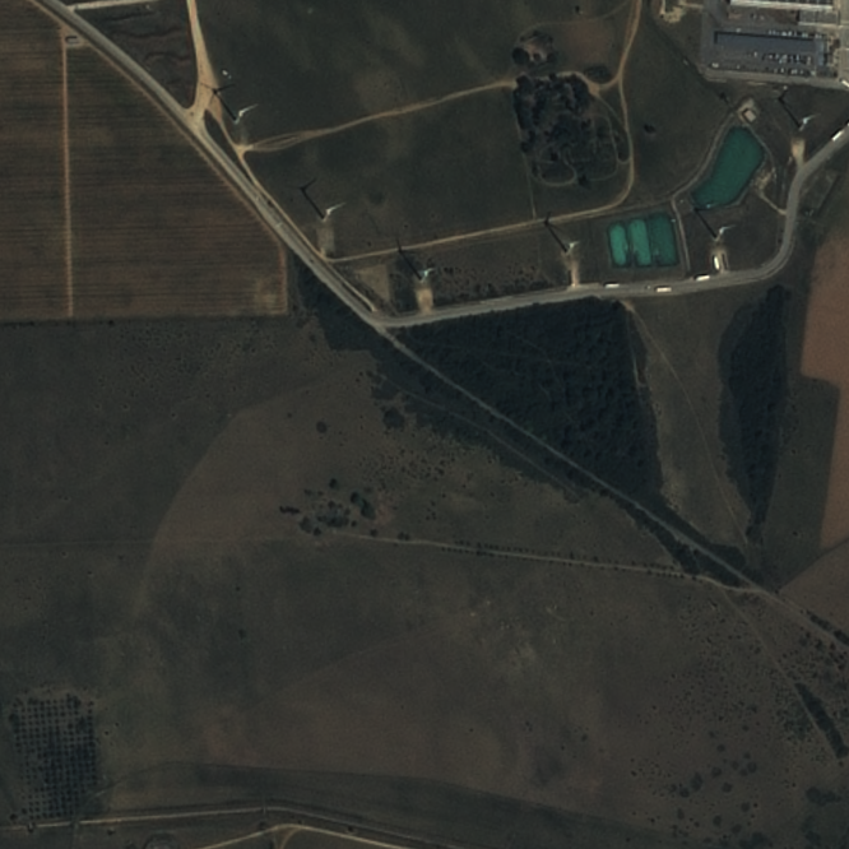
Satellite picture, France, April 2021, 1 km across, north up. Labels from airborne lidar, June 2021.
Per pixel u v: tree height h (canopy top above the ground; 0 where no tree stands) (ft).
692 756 0
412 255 0
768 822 0
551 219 0
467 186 0
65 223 0
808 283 0
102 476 0
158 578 0
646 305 0
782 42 0
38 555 0
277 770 0
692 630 0
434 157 0
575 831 0
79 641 0
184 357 0
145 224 0
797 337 0
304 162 0
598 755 0
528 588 0
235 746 0
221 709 0
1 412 0
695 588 0
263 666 0
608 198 0
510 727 0
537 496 0
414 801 0
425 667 0
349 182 0
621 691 0
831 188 0
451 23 0
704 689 0
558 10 0
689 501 0
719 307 0
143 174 0
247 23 0
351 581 0
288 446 0
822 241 0
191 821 0
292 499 0
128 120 0
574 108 56
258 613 0
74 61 0
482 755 0
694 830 0
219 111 0
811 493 0
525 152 35
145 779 0
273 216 0
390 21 0
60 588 0
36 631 0
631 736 0
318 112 0
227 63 0
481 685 0
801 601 0
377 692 0
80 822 0
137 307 0
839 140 0
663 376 0
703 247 0
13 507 0
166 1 0
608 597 0
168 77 0
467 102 0
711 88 0
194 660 0
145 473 0
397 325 0
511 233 0
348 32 0
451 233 0
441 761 0
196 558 0
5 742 0
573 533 0
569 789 0
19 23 0
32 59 0
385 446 0
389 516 0
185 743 0
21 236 0
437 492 0
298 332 0
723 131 0
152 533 0
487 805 0
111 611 0
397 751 0
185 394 0
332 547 0
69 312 0
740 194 0
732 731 0
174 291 0
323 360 0
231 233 0
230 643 0
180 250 0
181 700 0
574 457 19
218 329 0
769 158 0
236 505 0
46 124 0
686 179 0
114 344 0
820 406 0
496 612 0
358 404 0
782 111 0
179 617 0
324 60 0
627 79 0
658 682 0
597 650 0
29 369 0
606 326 36
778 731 0
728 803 0
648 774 0
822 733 0
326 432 0
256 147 0
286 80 0
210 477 0
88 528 0
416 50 0
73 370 0
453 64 0
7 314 0
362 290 0
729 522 0
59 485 0
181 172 0
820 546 0
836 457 0
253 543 0
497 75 0
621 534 0
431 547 0
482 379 18
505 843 0
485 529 0
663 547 0
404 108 0
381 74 0
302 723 0
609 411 19
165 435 0
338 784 0
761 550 0
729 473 0
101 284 0
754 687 0
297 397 0
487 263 0
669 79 0
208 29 0
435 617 0
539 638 0
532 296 0
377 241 0
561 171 18
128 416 0
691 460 0
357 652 0
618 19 0
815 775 0
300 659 0
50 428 0
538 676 0
